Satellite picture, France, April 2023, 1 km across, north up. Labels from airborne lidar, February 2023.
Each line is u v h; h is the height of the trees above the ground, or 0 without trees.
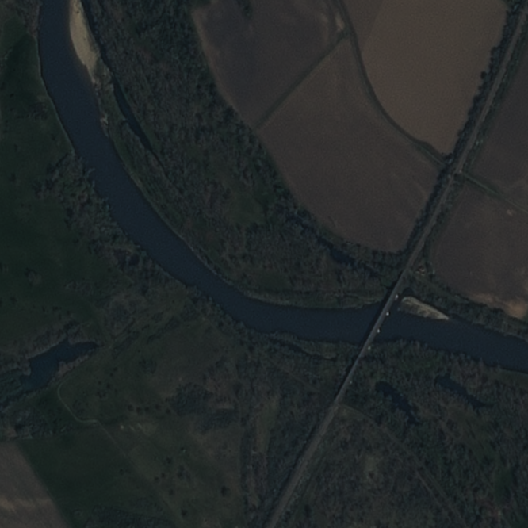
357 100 0
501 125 0
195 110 30
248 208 0
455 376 17
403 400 0
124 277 8
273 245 23
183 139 25
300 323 0
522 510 19
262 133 0
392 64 0
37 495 0
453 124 0
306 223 29
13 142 0
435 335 0
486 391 20
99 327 0
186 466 0
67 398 0
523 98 0
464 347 0
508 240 0
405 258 10
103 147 0
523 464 23
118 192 0
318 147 0
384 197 0
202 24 0
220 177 0
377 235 0
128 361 0
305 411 16
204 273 0
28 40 0
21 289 0
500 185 0
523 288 0
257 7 0
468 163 9
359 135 0
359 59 0
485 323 14
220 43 0
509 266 0
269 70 0
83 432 0
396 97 0
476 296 0
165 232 0
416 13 0
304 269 23
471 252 0
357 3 0
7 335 0
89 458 0
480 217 0
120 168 0
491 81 7
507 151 0
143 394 0
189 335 0
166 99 31
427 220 7
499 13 0
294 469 7
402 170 0
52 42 0
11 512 0
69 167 19
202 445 0
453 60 0
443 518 23
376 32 0
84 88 0
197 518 0
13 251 0
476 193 0
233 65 0
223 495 12
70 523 0
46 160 0
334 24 0
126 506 0
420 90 0
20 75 0
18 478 0
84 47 0
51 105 0
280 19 0
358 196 0
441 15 0
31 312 0
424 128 0
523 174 0
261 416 0
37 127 0
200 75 16
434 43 0
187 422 0
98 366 0
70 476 0
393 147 0
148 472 0
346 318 0
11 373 7
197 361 0
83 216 23
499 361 0
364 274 28
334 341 0
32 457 0
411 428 15
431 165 0
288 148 0
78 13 0
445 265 0
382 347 20
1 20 0
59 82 0
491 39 0
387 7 0
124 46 19
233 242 14
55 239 0
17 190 0
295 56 0
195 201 22
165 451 0
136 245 6
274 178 11
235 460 0
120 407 0
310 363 7
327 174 0
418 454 8
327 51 0
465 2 0
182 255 0
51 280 0
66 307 0
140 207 0
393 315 0
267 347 11
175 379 0
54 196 26
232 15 0
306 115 0
